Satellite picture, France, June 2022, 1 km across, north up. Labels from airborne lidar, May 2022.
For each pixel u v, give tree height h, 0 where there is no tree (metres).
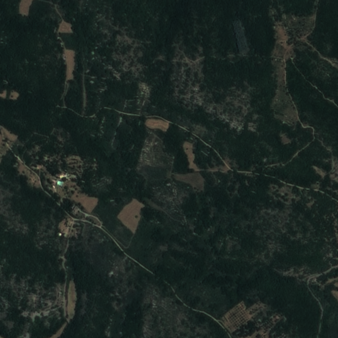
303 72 7
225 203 10
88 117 7
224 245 6
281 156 6
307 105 6
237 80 8
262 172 10
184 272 11
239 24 17
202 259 6
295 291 8
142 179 7
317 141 6
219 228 7
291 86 7
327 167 9
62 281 6
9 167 8
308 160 8
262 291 7
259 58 9
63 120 7
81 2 0
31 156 7
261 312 7
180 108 7
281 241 6
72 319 11
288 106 0
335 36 6
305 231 6
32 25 9
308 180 9
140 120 7
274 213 0
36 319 9
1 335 12
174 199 0
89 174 7
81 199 0
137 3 7
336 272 10
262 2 9
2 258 8
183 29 6
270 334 7
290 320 7
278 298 10
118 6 9
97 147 10
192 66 0
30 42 8
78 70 9
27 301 7
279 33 0
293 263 9
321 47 6
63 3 7
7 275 6
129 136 6
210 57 7
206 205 9
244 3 6
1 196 0
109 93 7
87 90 7
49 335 7
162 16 8
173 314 0
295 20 0
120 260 0
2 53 8
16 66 7
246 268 8
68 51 0
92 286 6
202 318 6
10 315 9
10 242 7
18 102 10
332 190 6
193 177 0
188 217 9
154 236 10
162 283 7
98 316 6
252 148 8
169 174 0
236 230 7
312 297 7
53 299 7
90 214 0
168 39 12
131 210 0
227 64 7
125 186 7
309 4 6
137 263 8
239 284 10
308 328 8
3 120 10
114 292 7
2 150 0
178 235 8
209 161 7
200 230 7
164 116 6
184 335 6
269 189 8
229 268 11
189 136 7
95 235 0
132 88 8
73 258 8
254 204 6
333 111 5
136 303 7
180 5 11
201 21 7
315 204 7
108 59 6
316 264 6
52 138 6
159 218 8
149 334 0
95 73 9
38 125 8
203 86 6
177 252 7
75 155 7
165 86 8
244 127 6
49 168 7
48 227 7
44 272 9
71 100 6
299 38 6
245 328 9
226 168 0
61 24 0
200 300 10
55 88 6
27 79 7
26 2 0
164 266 10
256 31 7
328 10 7
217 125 7
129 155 8
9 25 9
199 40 7
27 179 7
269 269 6
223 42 9
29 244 8
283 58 0
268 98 7
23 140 7
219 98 8
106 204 7
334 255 7
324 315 8
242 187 11
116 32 6
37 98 12
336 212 6
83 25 7
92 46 8
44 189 10
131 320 7
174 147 7
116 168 6
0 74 6
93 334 6
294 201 11
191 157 0
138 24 7
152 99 8
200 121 8
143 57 6
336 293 0
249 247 7
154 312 0
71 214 9
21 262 6
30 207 8
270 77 8
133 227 0
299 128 6
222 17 7
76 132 10
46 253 8
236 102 0
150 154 0
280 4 6
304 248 6
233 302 12
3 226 5
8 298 6
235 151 7
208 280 15
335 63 7
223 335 7
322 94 7
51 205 6
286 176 9
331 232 9
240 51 18
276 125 7
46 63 7
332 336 7
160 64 7
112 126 9
